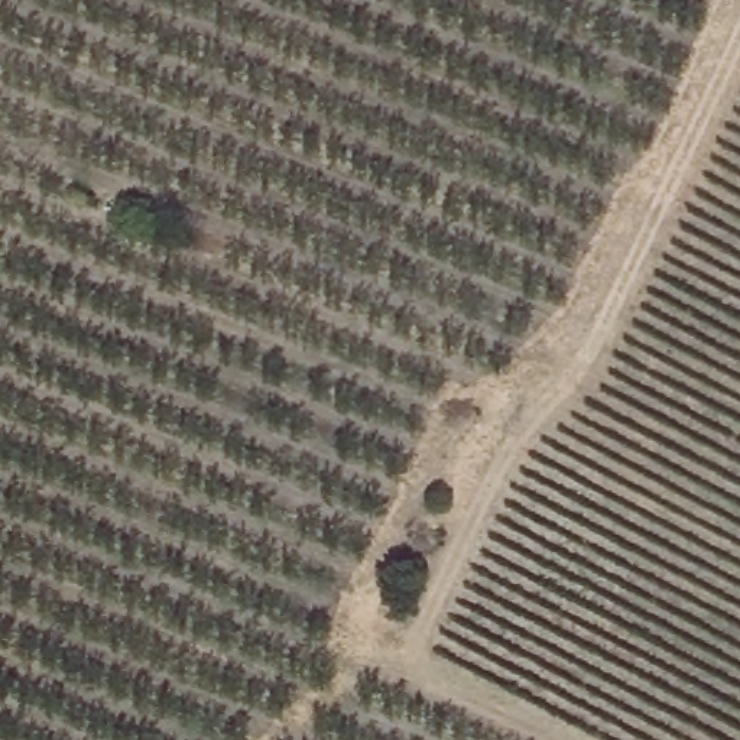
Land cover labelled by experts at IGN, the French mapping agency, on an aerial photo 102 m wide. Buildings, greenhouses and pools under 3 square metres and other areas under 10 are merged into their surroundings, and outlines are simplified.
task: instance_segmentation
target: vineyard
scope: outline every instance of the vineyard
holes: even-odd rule
[[[648,295],[642,301],[639,315],[630,324],[624,324],[624,335],[619,335],[613,344],[613,379],[610,384],[601,384],[601,390],[607,393],[604,402],[584,396],[587,408],[598,410],[595,419],[572,410],[567,425],[543,425],[541,439],[543,445],[561,451],[558,460],[541,451],[529,451],[520,468],[520,483],[512,483],[512,491],[506,497],[503,512],[497,515],[497,523],[541,543],[538,552],[526,549],[523,543],[500,532],[489,532],[491,541],[535,561],[535,569],[526,569],[491,549],[480,549],[477,561],[471,564],[474,572],[465,581],[463,595],[457,598],[460,607],[468,610],[468,616],[448,613],[439,621],[442,636],[434,645],[434,656],[538,705],[541,711],[581,728],[595,740],[740,740],[740,107],[734,107],[731,119],[720,127],[717,147],[711,150],[711,162],[726,168],[723,176],[705,171],[705,179],[717,185],[714,194],[694,188],[697,197],[705,199],[702,208],[685,202],[685,208],[679,211],[679,228],[671,237],[671,243],[688,251],[685,260],[662,254],[662,266],[653,269],[653,275],[648,278]]]

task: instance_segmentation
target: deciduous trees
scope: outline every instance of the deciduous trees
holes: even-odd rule
[[[445,480],[434,480],[428,483],[422,500],[428,512],[439,515],[451,509],[454,494]]]
[[[422,552],[399,543],[387,549],[387,555],[376,564],[376,581],[387,616],[405,621],[419,610],[419,598],[428,587],[428,561],[422,558]]]
[[[465,708],[425,700],[422,694],[408,691],[405,679],[379,679],[376,668],[364,668],[358,659],[350,656],[356,650],[356,633],[347,627],[347,613],[338,610],[338,598],[341,593],[350,593],[353,567],[361,561],[373,538],[370,532],[387,512],[387,503],[396,497],[399,474],[408,471],[413,460],[419,434],[425,428],[422,410],[428,408],[431,396],[445,382],[474,387],[486,373],[506,370],[512,364],[512,350],[523,341],[526,330],[538,330],[552,315],[552,309],[567,298],[567,283],[572,280],[575,260],[587,251],[593,228],[607,211],[613,194],[610,179],[627,173],[639,162],[642,150],[650,147],[656,136],[662,116],[671,110],[674,90],[691,58],[697,32],[705,23],[708,0],[156,0],[171,9],[182,9],[188,14],[214,20],[217,26],[237,23],[240,35],[260,32],[263,43],[286,40],[286,55],[295,58],[286,69],[280,69],[266,58],[249,55],[234,46],[223,46],[223,38],[217,35],[168,26],[162,17],[127,9],[116,0],[0,0],[0,29],[12,40],[43,40],[35,61],[26,61],[20,49],[9,49],[0,43],[0,66],[3,84],[35,95],[40,93],[40,84],[49,84],[49,101],[75,110],[69,121],[52,124],[49,113],[26,110],[23,101],[9,101],[0,95],[0,130],[12,130],[20,139],[55,136],[58,156],[66,156],[72,165],[69,185],[43,162],[20,162],[9,150],[0,150],[0,171],[9,176],[35,179],[40,185],[38,202],[29,202],[23,191],[0,194],[0,220],[23,214],[23,228],[35,237],[49,237],[52,243],[61,243],[69,251],[95,254],[98,260],[113,263],[124,272],[153,278],[165,292],[173,292],[179,283],[188,283],[191,295],[205,295],[211,306],[223,309],[214,321],[208,321],[205,315],[191,315],[185,306],[153,304],[142,298],[142,289],[121,289],[121,283],[95,283],[90,280],[87,269],[72,272],[72,266],[66,263],[49,263],[40,249],[20,246],[17,237],[12,237],[12,249],[3,246],[0,231],[0,315],[14,321],[20,330],[55,335],[84,353],[101,356],[104,361],[130,356],[130,364],[139,367],[139,373],[147,373],[159,382],[165,370],[176,373],[176,384],[185,390],[176,405],[165,399],[150,399],[139,387],[124,387],[116,376],[95,376],[90,370],[78,370],[55,353],[38,356],[26,344],[12,341],[6,330],[0,330],[0,593],[9,593],[12,604],[20,607],[26,601],[38,601],[38,613],[43,619],[52,619],[46,630],[38,630],[12,616],[0,616],[0,740],[523,740],[515,731],[500,731],[477,717],[468,717]]]
[[[480,405],[474,405],[471,399],[451,399],[442,408],[445,422],[454,425],[457,419],[480,419]]]

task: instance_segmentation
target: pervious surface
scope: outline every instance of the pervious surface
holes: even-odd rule
[[[720,127],[731,119],[734,107],[740,107],[740,0],[708,0],[705,23],[697,32],[691,58],[674,90],[671,110],[662,116],[656,136],[650,147],[642,150],[639,162],[627,173],[610,179],[613,194],[607,211],[593,228],[587,251],[575,260],[572,280],[567,283],[567,298],[552,309],[552,315],[538,330],[526,330],[523,341],[512,350],[512,364],[506,370],[486,373],[474,387],[445,382],[431,396],[428,408],[422,410],[425,428],[419,434],[413,460],[408,471],[399,474],[396,497],[387,503],[387,512],[370,532],[373,538],[361,561],[353,567],[350,593],[341,593],[338,598],[338,610],[347,613],[347,627],[356,633],[356,650],[350,656],[358,659],[364,668],[376,668],[379,679],[405,679],[408,691],[422,694],[425,700],[465,708],[468,717],[477,717],[500,731],[515,731],[523,740],[595,740],[581,728],[541,711],[538,705],[434,656],[434,645],[442,636],[439,621],[448,613],[468,616],[468,610],[460,607],[457,598],[463,595],[465,581],[474,572],[471,564],[477,561],[480,549],[491,549],[526,569],[535,569],[535,561],[491,541],[489,532],[500,532],[523,543],[526,549],[538,552],[541,543],[497,523],[497,515],[503,512],[506,497],[512,491],[512,483],[520,483],[520,468],[529,451],[541,451],[558,460],[561,451],[543,445],[541,439],[543,425],[567,425],[572,410],[595,419],[598,410],[587,408],[584,396],[604,402],[607,393],[601,390],[601,384],[610,384],[613,379],[613,344],[619,335],[624,335],[624,324],[630,324],[639,315],[642,301],[648,295],[648,278],[653,275],[653,269],[662,266],[662,254],[685,260],[688,251],[671,243],[671,237],[679,228],[679,211],[685,208],[685,202],[702,208],[705,199],[697,197],[694,188],[714,194],[717,185],[705,179],[705,171],[723,176],[726,168],[711,162],[711,150],[717,147]],[[445,422],[442,408],[451,399],[471,399],[474,405],[480,405],[480,419],[457,419],[454,425]],[[428,512],[422,500],[428,483],[434,480],[445,480],[454,494],[451,509],[439,515]],[[387,616],[376,581],[376,564],[387,555],[387,549],[399,543],[422,552],[422,558],[428,561],[428,587],[419,598],[419,610],[405,621]]]

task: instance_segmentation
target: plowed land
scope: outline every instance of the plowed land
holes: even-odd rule
[[[263,43],[260,32],[240,35],[237,23],[217,26],[214,20],[188,14],[182,9],[171,9],[156,0],[116,0],[127,9],[162,17],[168,26],[217,35],[223,38],[223,46],[234,46],[249,55],[266,58],[280,69],[286,69],[295,58],[286,55],[286,40]]]
[[[0,593],[0,616],[12,616],[38,630],[46,630],[52,619],[43,619],[38,613],[38,601],[26,601],[20,607],[12,604],[9,593]]]
[[[75,110],[49,101],[49,84],[40,84],[40,93],[35,95],[3,84],[0,66],[0,95],[9,101],[23,101],[26,110],[49,113],[52,124],[69,121]]]
[[[0,43],[9,49],[20,49],[26,61],[35,61],[43,40],[12,40],[0,29]]]
[[[20,162],[43,162],[69,185],[72,165],[66,156],[58,156],[55,136],[20,139],[12,130],[0,130],[0,150],[9,150]]]
[[[124,387],[139,387],[150,399],[165,399],[176,405],[185,390],[176,384],[176,373],[165,370],[159,382],[147,373],[139,373],[139,367],[130,364],[130,356],[104,361],[101,356],[84,353],[55,335],[20,330],[14,321],[0,315],[0,330],[6,330],[12,341],[26,344],[38,356],[55,353],[78,370],[90,370],[95,376],[116,376]]]
[[[12,249],[12,237],[17,237],[20,246],[40,249],[49,263],[66,263],[72,266],[72,272],[87,269],[90,280],[95,283],[121,283],[121,289],[142,289],[142,298],[153,304],[185,306],[191,315],[205,315],[208,321],[214,321],[223,309],[211,306],[205,295],[191,295],[188,283],[179,283],[173,292],[165,292],[153,278],[124,272],[113,263],[98,260],[95,254],[69,251],[61,243],[52,243],[49,237],[35,237],[23,228],[23,214],[0,220],[0,231],[3,246]]]
[[[9,176],[0,171],[0,194],[23,191],[29,202],[38,202],[40,185],[35,179]]]

